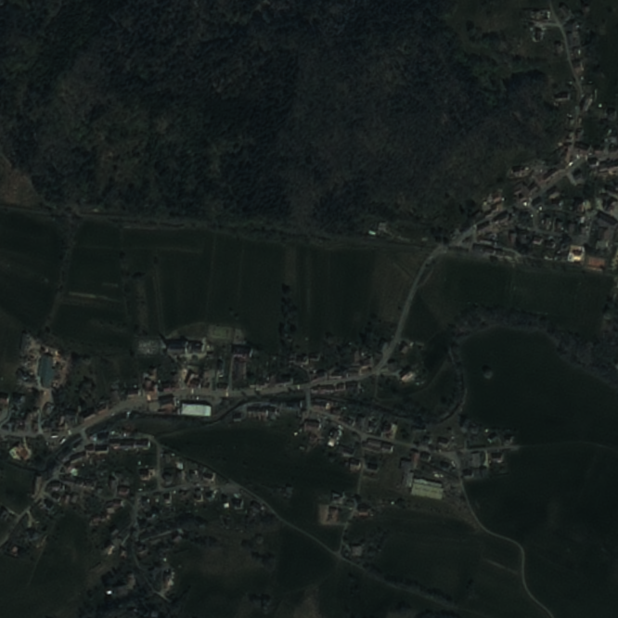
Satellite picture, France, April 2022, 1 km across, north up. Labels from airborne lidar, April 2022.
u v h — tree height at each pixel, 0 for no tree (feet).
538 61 40
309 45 86
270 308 0
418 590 35
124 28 82
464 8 0
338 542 0
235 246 0
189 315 0
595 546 0
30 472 0
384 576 33
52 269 0
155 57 74
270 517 36
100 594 0
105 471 22
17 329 0
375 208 76
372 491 0
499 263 34
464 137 85
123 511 0
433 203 84
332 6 84
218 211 43
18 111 22
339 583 0
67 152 69
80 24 27
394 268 0
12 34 83
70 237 21
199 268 0
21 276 0
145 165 29
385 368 0
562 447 0
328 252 0
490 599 0
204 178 28
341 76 68
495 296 0
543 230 0
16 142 68
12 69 58
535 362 0
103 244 0
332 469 0
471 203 62
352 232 29
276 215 55
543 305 0
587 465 0
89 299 0
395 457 0
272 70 60
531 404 0
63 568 0
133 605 26
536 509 0
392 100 79
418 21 64
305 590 0
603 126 31
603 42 0
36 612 0
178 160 52
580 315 0
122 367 0
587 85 0
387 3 75
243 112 64
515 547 0
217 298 0
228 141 43
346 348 39
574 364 55
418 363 0
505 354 0
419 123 86
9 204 0
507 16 0
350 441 0
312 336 0
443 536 0
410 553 0
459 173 70
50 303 0
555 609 0
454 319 0
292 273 0
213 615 0
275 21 114
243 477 0
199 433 0
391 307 0
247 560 0
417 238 0
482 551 0
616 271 0
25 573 0
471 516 0
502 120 79
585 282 0
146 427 0
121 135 22
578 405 0
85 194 59
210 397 0
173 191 89
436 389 0
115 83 79
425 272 0
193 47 72
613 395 0
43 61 32
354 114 79
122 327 19
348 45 83
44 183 73
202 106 55
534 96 67
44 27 97
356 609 0
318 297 0
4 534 0
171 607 18
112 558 0
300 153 82
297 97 73
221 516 0
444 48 98
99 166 31
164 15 80
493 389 0
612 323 53
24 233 0
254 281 0
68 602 0
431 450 21
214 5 93
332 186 67
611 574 0
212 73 88
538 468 0
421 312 0
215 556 0
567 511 0
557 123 49
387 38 53
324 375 0
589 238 0
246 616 0
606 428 0
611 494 0
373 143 88
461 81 92
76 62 63
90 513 25
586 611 0
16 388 0
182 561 0
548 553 0
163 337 0
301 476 0
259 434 0
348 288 0
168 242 0
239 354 0
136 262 0
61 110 59
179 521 23
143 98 30
